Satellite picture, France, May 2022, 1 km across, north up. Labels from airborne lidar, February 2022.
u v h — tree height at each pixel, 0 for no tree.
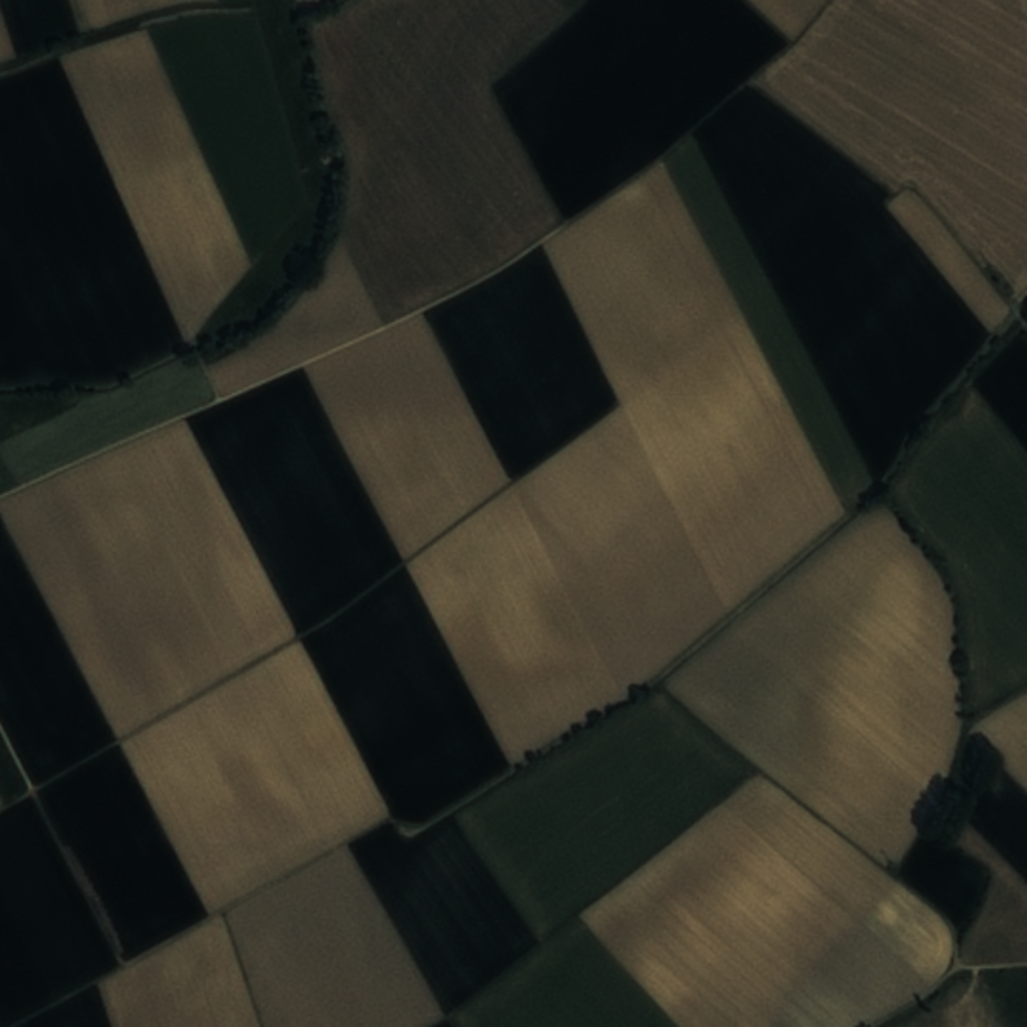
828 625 0
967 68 0
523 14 0
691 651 0
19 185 0
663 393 0
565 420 0
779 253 0
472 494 0
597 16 0
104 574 0
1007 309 0
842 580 0
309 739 0
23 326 0
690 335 0
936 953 0
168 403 0
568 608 0
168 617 0
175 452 0
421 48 0
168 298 0
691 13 0
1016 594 0
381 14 0
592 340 0
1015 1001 0
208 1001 0
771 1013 0
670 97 0
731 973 0
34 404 0
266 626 0
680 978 0
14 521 0
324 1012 0
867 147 0
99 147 0
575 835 0
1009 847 0
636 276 0
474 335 0
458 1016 0
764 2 0
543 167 0
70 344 0
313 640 0
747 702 0
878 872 0
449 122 0
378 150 0
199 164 0
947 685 0
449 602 0
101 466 0
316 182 0
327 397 0
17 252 0
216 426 0
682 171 0
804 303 0
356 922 0
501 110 0
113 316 0
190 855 0
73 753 0
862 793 0
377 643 0
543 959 0
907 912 0
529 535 0
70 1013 0
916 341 0
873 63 0
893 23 0
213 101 0
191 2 0
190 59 0
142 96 0
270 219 0
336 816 0
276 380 0
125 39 0
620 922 0
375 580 0
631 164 0
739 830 0
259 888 0
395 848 0
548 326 0
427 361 0
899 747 0
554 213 0
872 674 0
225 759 0
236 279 0
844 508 0
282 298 16
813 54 0
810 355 0
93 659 0
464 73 0
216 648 0
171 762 0
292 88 0
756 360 0
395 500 0
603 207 0
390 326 0
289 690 0
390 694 0
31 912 0
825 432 0
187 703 0
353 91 0
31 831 0
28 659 0
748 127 0
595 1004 0
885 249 0
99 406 0
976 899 0
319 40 0
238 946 0
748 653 0
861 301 0
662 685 0
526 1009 0
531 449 0
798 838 0
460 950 0
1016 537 0
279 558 0
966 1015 0
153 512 0
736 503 0
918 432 18
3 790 0
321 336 0
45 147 0
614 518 0
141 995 0
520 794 0
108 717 0
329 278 0
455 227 0
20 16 0
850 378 0
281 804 0
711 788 0
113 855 0
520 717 0
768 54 0
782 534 0
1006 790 0
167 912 0
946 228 0
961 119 0
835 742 0
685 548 0
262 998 0
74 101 0
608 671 0
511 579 0
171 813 0
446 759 0
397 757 0
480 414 0
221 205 0
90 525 0
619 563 0
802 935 0
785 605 0
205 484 0
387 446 0
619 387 0
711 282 0
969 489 0
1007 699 0
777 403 0
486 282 0
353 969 0
